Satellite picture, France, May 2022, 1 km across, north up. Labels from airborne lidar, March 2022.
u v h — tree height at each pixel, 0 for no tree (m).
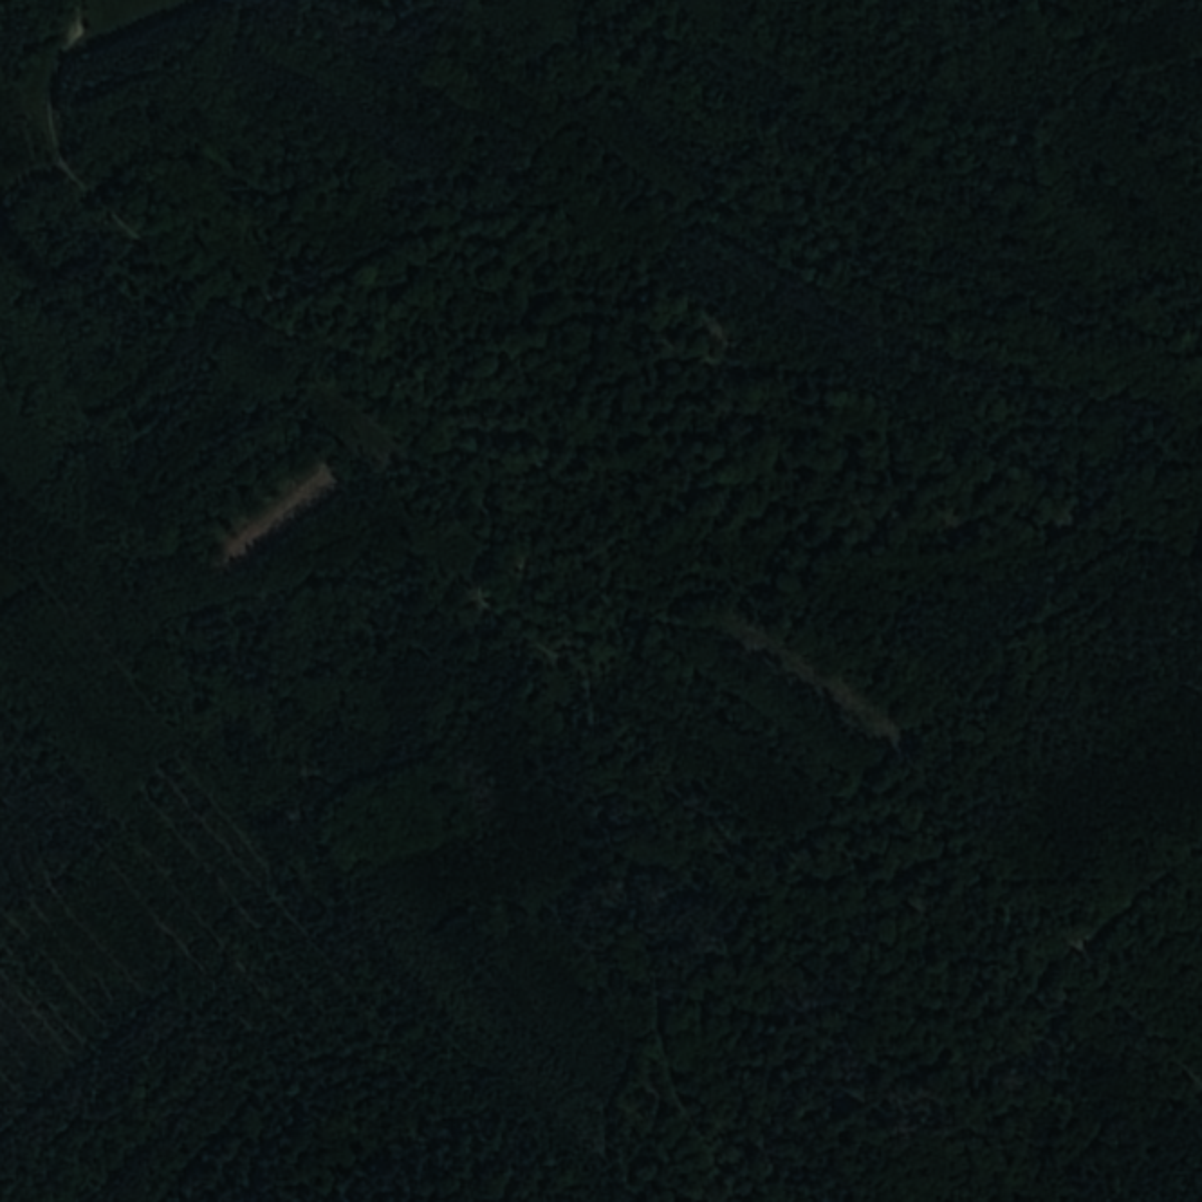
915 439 30
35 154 0
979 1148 19
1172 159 26
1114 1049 22
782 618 28
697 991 27
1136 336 27
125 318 21
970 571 18
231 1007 19
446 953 14
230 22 22
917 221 24
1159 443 15
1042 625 18
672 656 25
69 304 26
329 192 26
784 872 29
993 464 24
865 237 21
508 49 19
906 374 21
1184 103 13
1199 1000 18
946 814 22
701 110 15
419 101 16
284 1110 11
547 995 9
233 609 20
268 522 0
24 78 22
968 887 19
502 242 27
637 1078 24
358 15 23
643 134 16
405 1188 30
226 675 26
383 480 13
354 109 25
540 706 32
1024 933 30
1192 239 8
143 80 14
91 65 18
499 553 24
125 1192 20
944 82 27
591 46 29
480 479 30
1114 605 16
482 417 27
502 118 18
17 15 20
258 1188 30
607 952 23
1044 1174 21
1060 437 23
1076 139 6
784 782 18
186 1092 19
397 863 10
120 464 24
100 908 11
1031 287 18
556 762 28
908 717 22
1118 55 8
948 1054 28
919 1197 23
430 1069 14
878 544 29
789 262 11
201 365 19
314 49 20
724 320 31
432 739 12
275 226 16
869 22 19
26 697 17
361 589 23
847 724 25
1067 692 20
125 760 14
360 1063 17
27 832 18
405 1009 24
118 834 17
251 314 18
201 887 13
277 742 17
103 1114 25
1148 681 23
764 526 27
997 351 27
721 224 13
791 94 25
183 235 24
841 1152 20
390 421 26
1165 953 20
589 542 24
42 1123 20
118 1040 21
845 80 19
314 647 27
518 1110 17
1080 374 23
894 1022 27
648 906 25
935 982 24
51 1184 24
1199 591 21
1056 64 14
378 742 16
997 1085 24
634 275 29
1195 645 21
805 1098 27
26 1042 19
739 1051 15
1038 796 13
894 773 24
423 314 13
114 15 0
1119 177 7
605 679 11
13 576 0
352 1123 17
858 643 21
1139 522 28
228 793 9
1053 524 0
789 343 19
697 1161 29
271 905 21
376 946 24
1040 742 16
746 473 27
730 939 29
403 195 16
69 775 17
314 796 14
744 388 31
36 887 17
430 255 14
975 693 18
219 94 21
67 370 22
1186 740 13
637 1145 10
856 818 27
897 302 24
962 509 29
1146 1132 20
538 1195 18
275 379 20
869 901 24
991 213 27
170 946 15
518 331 26
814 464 32
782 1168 25
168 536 26
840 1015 22
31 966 13
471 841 14
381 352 16
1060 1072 23
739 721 26
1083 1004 24
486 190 22
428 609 16
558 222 26
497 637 26
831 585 14
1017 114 9
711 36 13
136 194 30
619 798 28
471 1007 13
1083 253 17
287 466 25
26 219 22
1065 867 18
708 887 28
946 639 20
